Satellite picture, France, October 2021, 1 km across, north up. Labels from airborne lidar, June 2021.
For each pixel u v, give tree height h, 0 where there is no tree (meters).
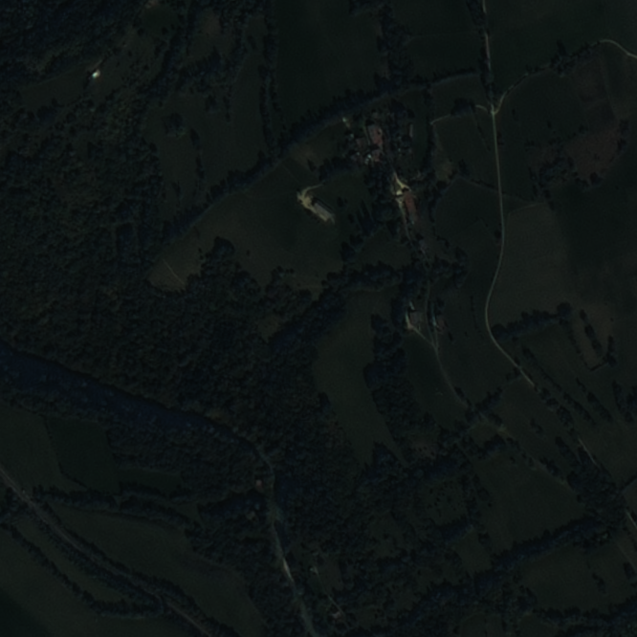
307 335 23
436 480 16
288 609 19
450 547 15
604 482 13
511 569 18
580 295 0
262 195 0
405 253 0
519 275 0
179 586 0
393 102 0
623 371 0
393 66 10
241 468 19
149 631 0
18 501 8
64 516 0
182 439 20
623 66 0
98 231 15
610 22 0
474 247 0
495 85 0
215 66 9
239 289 17
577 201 0
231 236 0
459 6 0
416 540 16
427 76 0
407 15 0
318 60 0
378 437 0
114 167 23
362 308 0
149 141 0
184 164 0
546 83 0
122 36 13
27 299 24
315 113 0
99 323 33
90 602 13
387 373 18
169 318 14
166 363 29
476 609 15
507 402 0
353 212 0
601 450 0
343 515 22
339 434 19
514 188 0
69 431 0
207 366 11
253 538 24
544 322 14
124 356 22
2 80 18
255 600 13
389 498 19
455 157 0
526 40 0
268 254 0
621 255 0
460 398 14
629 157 0
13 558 0
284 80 0
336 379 0
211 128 0
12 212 11
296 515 24
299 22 0
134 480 0
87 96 7
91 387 23
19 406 7
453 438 9
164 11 0
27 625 0
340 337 0
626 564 0
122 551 0
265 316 17
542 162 0
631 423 16
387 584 10
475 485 15
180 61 21
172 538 0
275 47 13
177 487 0
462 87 0
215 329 18
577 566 0
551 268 0
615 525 15
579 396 0
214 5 19
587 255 0
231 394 31
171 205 0
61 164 6
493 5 0
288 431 18
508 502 0
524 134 0
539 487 0
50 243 9
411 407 19
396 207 12
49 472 0
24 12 22
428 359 0
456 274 11
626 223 0
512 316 0
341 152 8
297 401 18
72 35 19
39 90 0
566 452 15
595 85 0
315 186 0
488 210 0
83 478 0
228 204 0
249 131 0
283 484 20
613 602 0
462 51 0
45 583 0
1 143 13
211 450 21
